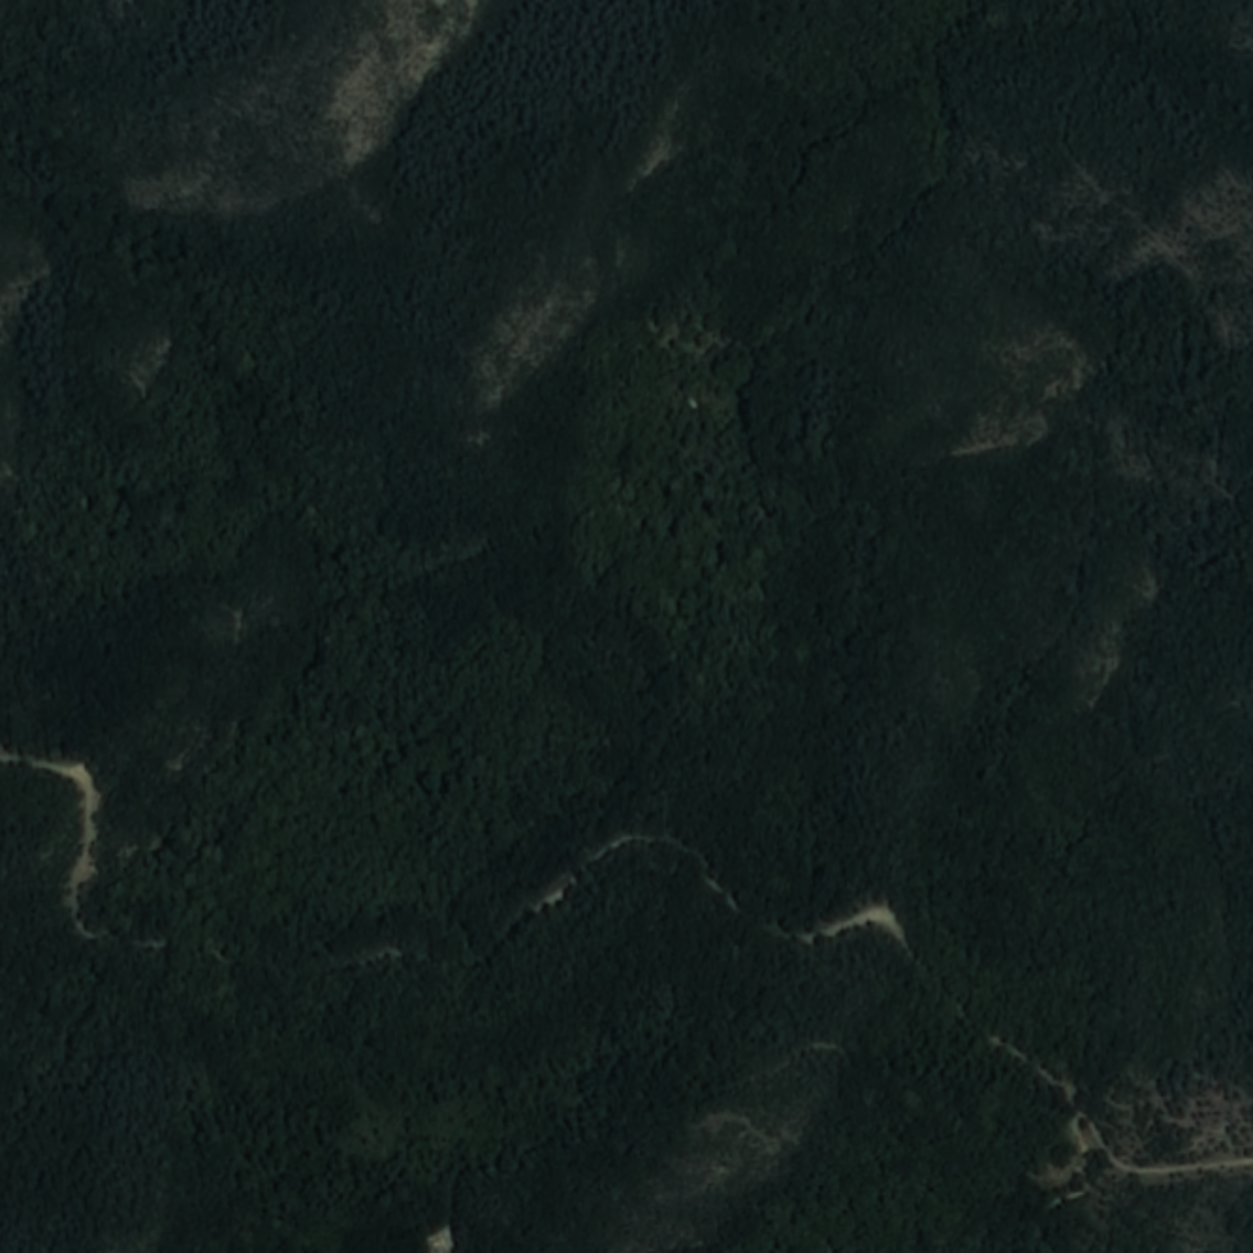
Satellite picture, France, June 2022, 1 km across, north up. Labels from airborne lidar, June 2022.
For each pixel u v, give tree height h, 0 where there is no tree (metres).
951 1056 6
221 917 13
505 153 16
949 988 16
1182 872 7
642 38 15
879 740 8
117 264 15
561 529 14
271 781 8
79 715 11
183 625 9
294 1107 16
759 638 20
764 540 25
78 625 18
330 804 14
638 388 15
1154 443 6
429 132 20
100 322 7
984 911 15
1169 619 6
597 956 15
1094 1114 11
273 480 11
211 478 9
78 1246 14
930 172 13
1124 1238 12
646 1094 15
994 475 9
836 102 17
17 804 13
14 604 15
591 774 15
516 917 14
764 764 20
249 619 9
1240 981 6
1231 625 6
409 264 7
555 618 22
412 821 22
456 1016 19
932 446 5
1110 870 11
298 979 13
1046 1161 19
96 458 8
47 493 15
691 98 7
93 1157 15
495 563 14
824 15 11
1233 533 14
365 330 10
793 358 15
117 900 12
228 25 15
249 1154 8
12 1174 16
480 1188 14
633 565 20
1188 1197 7
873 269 11
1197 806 8
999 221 9
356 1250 19
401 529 13
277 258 12
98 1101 15
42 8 19
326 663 19
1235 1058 10
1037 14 14
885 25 18
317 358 9
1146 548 10
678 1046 17
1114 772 8
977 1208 16
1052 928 6
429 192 14
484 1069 14
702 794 18
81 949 15
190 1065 6
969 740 13
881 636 10
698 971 21
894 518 13
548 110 22
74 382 16
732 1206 8
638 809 13
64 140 8
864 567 11
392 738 14
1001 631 7
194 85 6
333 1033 15
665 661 22
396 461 7
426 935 17
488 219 6
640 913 12
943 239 8
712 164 15
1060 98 9
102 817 9
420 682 16
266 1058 17
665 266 8
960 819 12
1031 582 7
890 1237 19
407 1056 15
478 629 13
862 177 10
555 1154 19
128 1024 10
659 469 16
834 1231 19
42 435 12
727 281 17
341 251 8
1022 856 18
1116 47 6
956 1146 18
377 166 6
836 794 10
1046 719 10
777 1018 12
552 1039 14
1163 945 6
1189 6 9
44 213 14
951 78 16
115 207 13
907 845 6
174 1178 7
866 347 9
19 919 10
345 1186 16
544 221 7
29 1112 18
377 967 14
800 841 21
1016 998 16
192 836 14
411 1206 16
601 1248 6
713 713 20
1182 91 6
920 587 6
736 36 14
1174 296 14
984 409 7
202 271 19
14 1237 16
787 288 13
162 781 6
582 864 8
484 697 16
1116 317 15
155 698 8
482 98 7
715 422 8
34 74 20
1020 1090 19
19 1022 14
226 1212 20
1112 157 7
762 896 25
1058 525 9
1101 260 6
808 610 23
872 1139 18
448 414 6
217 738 10
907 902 12
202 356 12
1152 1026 9
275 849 17
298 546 13
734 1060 13
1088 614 7
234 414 16
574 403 16
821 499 20
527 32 14
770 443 16
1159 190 7
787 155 19
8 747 10
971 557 7
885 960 9
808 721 22
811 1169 19
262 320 11
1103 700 8
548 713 16
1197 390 19
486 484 7
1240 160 6
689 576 21
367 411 8
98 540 19
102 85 7
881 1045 17
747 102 17
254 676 13
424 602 12
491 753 14
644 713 13
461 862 21
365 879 16
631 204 8
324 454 8
